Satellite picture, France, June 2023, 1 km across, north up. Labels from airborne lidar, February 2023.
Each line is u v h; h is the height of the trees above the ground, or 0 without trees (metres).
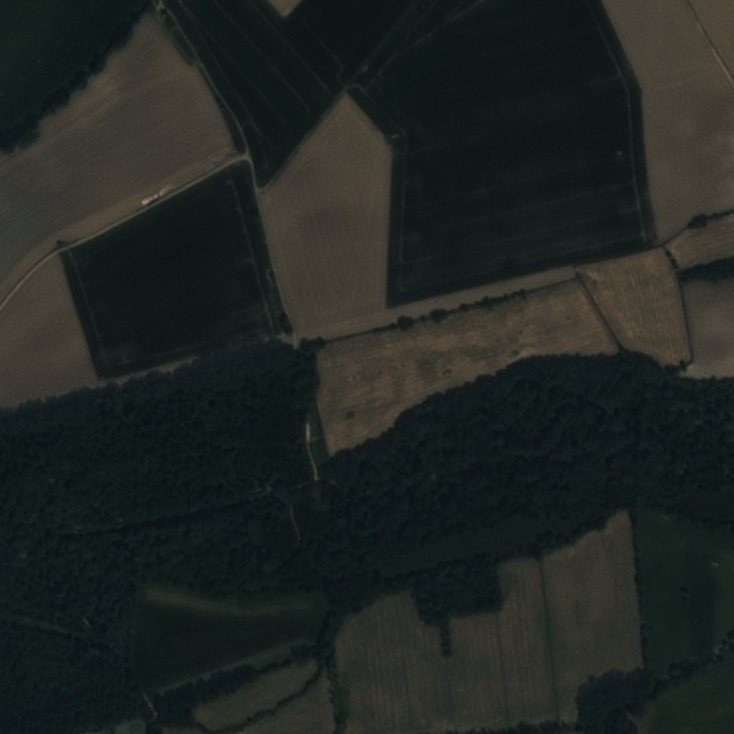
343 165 0
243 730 0
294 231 0
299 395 23
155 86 0
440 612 25
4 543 23
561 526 0
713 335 0
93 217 0
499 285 0
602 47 0
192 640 0
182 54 0
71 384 0
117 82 0
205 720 0
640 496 26
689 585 0
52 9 0
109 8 0
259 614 0
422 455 30
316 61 0
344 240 0
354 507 26
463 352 0
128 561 22
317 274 0
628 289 0
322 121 0
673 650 0
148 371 0
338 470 27
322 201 0
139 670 0
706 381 8
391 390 0
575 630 0
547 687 0
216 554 23
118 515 8
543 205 0
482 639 0
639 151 0
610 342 0
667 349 0
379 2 0
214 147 0
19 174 0
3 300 0
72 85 10
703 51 0
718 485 21
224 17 0
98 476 15
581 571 0
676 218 0
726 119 0
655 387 25
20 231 0
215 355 0
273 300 0
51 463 17
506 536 0
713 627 0
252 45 0
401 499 31
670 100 0
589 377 30
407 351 0
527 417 35
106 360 0
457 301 0
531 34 0
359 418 0
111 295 0
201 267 0
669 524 0
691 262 0
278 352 28
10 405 0
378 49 0
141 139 0
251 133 0
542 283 0
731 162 0
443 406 24
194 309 0
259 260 0
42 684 12
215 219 0
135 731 0
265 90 0
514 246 0
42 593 21
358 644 0
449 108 0
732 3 0
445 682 0
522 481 14
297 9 0
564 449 29
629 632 0
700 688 0
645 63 0
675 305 0
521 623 0
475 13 0
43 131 0
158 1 0
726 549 0
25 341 0
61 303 0
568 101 0
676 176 0
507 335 0
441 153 0
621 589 0
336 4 0
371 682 0
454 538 0
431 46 0
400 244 0
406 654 0
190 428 16
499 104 0
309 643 0
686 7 0
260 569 31
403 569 0
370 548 28
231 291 0
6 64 0
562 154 0
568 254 0
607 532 0
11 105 0
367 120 0
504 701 0
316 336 0
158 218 0
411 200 0
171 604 0
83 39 0
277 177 0
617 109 0
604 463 32
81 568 27
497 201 0
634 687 30
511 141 0
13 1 0
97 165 0
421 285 0
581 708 26
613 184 0
